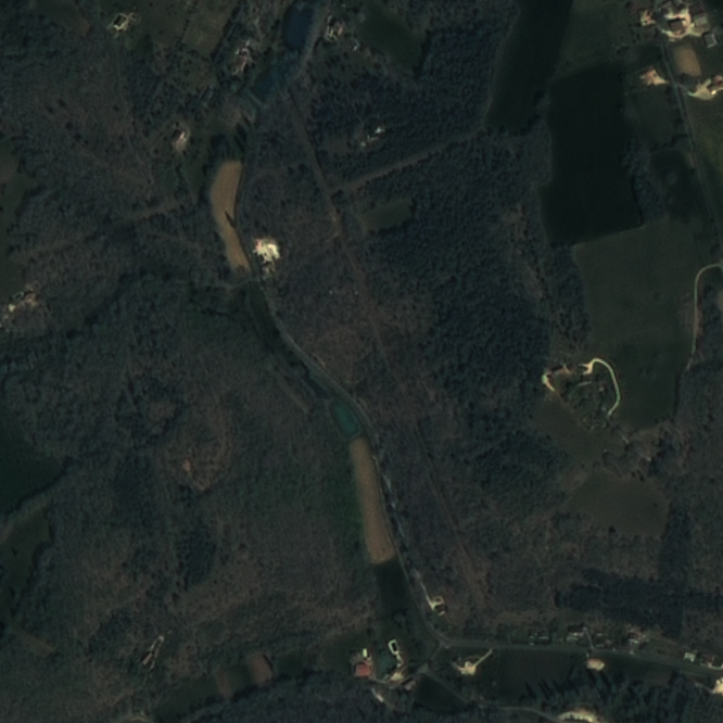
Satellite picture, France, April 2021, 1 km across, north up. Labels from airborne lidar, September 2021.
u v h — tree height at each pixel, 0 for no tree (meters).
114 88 12
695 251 0
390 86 13
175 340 14
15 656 21
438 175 11
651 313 0
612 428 9
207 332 17
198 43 0
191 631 14
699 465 11
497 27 13
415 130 13
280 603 9
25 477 7
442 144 10
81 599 16
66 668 15
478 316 18
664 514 0
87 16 18
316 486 13
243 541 9
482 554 16
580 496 0
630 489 0
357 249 12
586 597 21
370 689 10
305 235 8
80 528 18
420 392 9
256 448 12
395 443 11
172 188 15
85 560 18
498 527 8
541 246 17
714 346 21
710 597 10
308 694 16
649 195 18
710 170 0
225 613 11
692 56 0
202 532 16
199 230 16
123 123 12
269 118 13
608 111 0
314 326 12
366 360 9
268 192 10
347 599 6
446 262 11
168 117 8
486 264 12
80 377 10
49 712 17
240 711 19
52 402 13
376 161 11
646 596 16
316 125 9
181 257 13
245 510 15
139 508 14
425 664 0
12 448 7
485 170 9
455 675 8
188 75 10
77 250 6
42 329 21
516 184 14
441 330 12
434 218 14
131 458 15
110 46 21
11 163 0
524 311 11
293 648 20
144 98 12
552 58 0
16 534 0
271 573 12
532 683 0
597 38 0
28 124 24
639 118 0
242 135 0
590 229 0
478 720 20
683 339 0
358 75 6
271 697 23
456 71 20
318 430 16
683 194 0
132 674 11
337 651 0
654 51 0
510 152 14
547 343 11
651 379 8
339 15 0
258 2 12
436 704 0
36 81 22
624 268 0
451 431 16
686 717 36
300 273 14
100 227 13
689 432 15
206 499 16
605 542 10
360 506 10
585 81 0
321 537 13
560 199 0
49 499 20
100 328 22
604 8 0
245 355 18
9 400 22
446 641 0
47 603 19
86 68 17
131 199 9
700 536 12
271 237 8
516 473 11
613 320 0
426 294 10
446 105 14
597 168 0
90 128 7
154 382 8
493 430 9
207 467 10
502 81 0
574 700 22
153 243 16
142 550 12
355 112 9
